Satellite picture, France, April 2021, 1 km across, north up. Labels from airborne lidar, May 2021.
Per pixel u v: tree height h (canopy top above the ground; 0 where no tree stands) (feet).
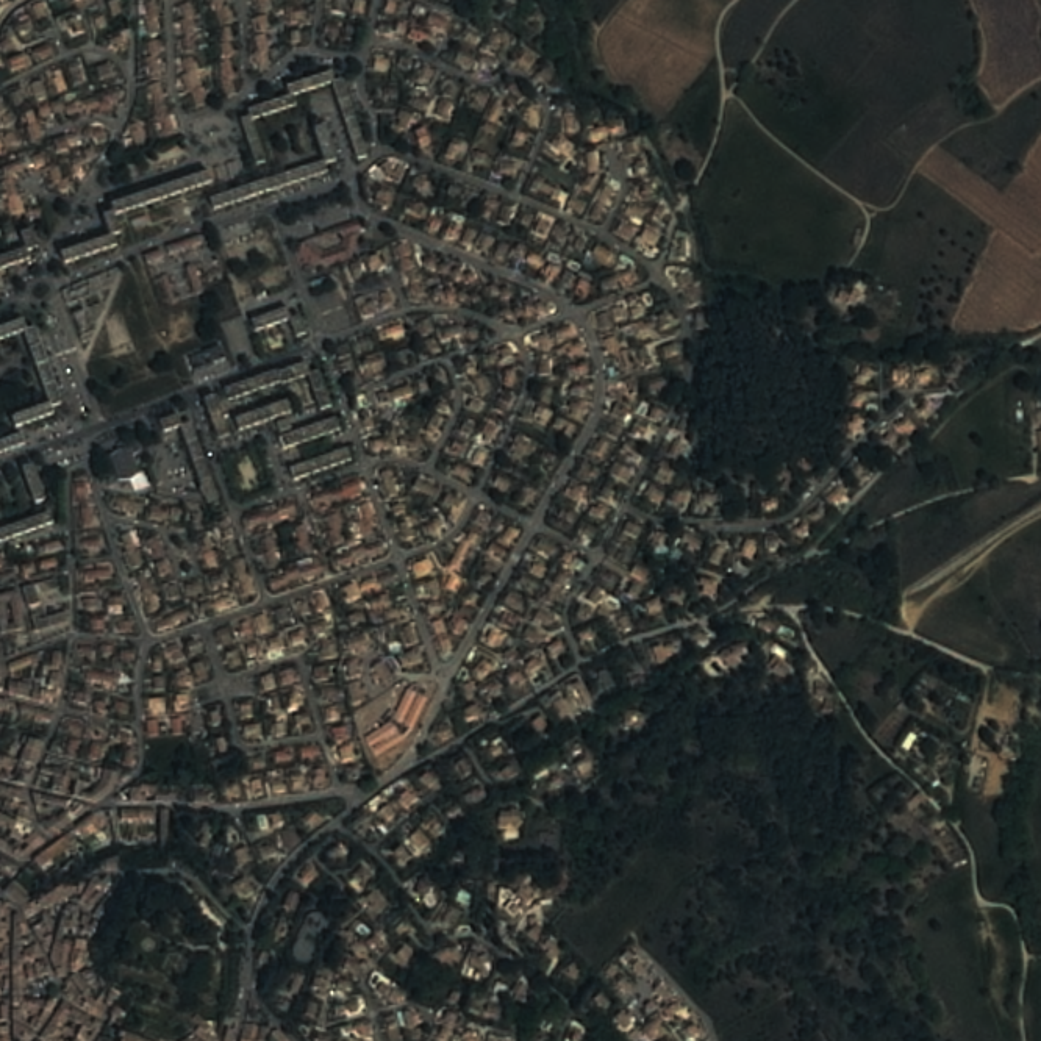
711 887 41
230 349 26
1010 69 0
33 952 0
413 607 0
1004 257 0
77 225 0
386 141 25
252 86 0
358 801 0
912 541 0
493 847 29
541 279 32
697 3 0
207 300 29
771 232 0
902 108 0
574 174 22
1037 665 36
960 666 23
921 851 39
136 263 27
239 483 25
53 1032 0
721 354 40
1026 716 36
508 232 26
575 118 26
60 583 21
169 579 24
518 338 0
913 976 35
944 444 0
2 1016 0
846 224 0
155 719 0
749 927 37
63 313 0
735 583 47
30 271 25
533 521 0
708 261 30
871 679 0
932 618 0
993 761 0
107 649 0
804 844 46
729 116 0
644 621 24
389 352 25
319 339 0
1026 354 31
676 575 31
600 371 0
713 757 32
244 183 42
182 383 0
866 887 33
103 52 0
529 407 0
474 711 0
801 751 45
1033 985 0
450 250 0
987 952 0
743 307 40
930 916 0
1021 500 0
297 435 0
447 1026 0
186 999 28
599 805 50
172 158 0
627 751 49
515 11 31
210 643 0
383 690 0
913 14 0
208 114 0
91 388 39
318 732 0
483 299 19
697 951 34
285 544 33
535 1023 64
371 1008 0
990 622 0
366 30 39
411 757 0
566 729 35
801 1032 21
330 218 0
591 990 29
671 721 50
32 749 0
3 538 0
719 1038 0
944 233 22
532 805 28
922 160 0
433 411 38
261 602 0
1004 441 0
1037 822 0
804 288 29
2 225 19
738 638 27
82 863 38
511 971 47
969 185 0
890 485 0
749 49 0
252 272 32
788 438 37
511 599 0
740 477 34
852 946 44
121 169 30
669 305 18
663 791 29
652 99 0
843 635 0
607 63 0
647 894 0
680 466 28
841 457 33
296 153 28
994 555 0
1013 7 0
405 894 37
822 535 47
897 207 0
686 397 31
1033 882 31
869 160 0
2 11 0
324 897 22
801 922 26
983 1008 0
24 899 0
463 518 0
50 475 37
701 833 0
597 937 0
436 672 0
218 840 32
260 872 25
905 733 22
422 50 30
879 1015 32
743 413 35
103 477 30
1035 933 42
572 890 19
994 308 0
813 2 0
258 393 25
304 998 20
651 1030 0
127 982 19
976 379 60
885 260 0
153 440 30
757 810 24
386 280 30
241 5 0
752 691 52
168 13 0
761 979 25
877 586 47
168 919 44
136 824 0
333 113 0
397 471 0
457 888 32
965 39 0
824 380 42
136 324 0
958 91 34
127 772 26
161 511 0
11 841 21
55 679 0
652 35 0
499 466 34
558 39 46
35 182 0
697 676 37
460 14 41
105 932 59
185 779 45
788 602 0
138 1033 34
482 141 0
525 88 43
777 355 43
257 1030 0
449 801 22
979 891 0
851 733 0
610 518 23
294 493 0
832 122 0
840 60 0
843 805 52
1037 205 0
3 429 30
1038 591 0
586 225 0
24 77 0
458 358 21
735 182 0
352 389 37
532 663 0
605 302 0
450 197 25
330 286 33
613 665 23
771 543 0
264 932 44
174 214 0
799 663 26
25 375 35
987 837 0
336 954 35
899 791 23
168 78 0
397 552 0
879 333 0
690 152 0
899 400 31
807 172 0
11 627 0
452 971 43
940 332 25
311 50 0
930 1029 42
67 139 0
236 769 44
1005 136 0
